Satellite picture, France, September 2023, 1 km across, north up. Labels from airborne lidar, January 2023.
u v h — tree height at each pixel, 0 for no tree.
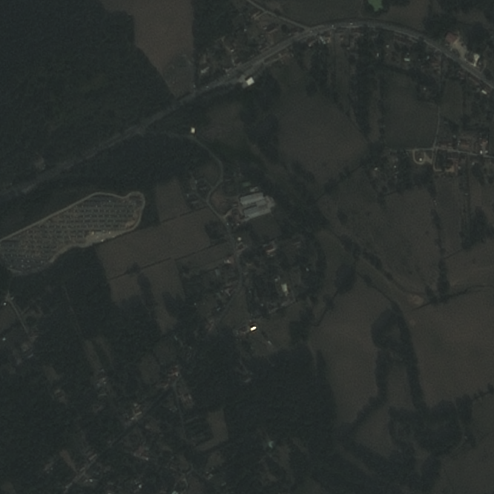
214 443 0
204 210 0
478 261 0
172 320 0
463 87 7
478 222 14
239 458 15
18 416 19
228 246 0
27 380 11
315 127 0
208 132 0
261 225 0
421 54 10
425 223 0
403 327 23
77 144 14
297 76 0
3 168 19
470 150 0
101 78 0
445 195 0
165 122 9
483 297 0
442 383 0
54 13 22
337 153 0
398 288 0
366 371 0
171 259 0
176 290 0
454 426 19
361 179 0
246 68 0
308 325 19
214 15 18
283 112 0
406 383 0
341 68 0
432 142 0
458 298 0
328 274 0
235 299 0
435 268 0
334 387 0
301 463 13
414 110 0
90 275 17
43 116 6
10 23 28
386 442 0
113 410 0
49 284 9
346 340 0
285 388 19
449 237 0
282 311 6
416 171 0
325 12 0
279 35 0
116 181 22
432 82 18
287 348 0
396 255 0
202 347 14
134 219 0
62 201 0
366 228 0
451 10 20
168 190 0
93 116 6
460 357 0
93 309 21
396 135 0
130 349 18
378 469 20
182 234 0
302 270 15
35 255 0
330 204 0
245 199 0
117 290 0
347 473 24
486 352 0
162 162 6
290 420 10
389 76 0
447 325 0
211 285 9
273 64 0
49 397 7
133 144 17
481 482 0
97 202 0
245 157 0
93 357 0
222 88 9
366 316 0
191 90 0
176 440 17
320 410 20
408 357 23
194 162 6
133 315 9
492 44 13
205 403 14
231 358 8
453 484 0
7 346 0
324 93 15
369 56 10
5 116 18
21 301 14
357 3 0
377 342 19
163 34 0
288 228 13
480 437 0
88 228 0
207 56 0
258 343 0
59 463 9
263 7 8
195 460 18
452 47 0
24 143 16
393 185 11
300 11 0
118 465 18
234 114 0
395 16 0
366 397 0
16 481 19
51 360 16
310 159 0
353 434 19
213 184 0
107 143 0
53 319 11
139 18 0
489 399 0
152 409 7
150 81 6
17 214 0
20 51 24
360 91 19
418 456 0
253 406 24
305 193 19
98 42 11
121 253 0
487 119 6
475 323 0
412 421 18
